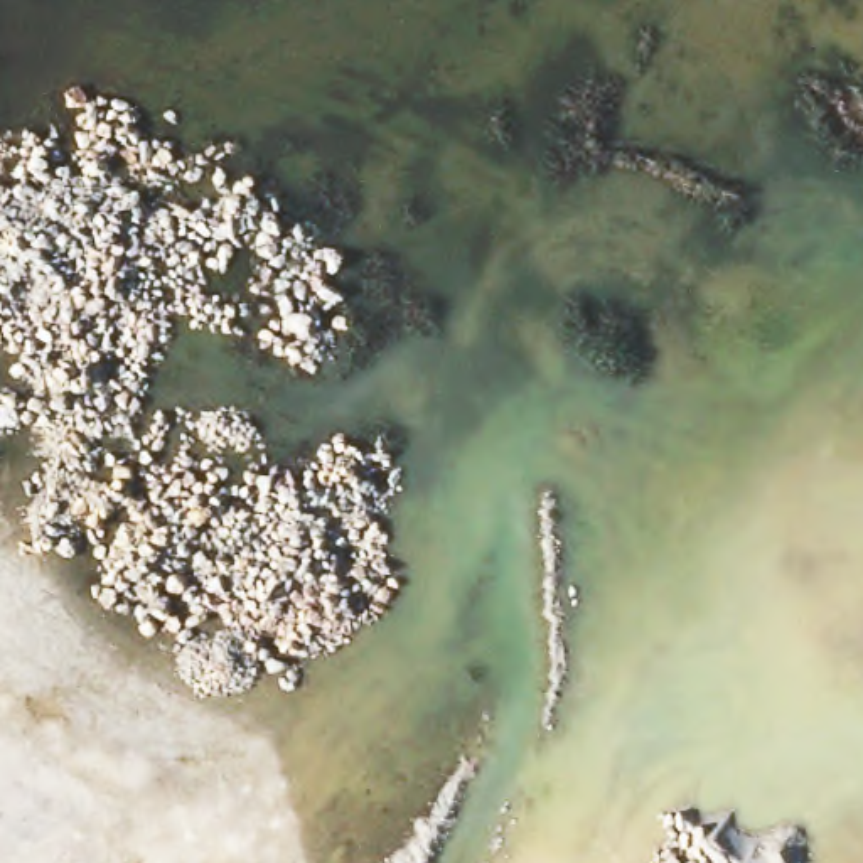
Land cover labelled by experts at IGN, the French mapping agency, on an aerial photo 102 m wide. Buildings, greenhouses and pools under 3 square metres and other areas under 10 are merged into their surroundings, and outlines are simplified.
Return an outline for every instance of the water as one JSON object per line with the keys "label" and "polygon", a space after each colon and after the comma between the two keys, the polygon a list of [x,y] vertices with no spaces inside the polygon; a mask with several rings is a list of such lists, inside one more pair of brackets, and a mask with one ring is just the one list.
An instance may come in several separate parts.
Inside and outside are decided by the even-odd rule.
{"label": "water", "polygon": [[34,388],[10,374],[13,354],[7,354],[7,340],[0,340],[0,394],[10,394],[13,401],[30,401]]}
{"label": "water", "polygon": [[792,819],[796,826],[809,829],[812,863],[863,863],[863,0],[0,0],[0,131],[30,131],[44,138],[47,128],[57,128],[54,148],[74,152],[78,118],[64,105],[64,94],[81,91],[84,98],[125,101],[138,138],[165,142],[172,158],[189,158],[199,155],[206,145],[233,142],[233,155],[222,158],[226,182],[253,179],[260,209],[266,209],[270,199],[280,199],[276,226],[300,226],[310,243],[317,243],[320,249],[334,249],[340,256],[337,273],[320,273],[320,280],[334,293],[340,293],[340,300],[330,307],[320,303],[310,314],[310,334],[317,337],[320,351],[314,371],[300,371],[260,344],[260,330],[270,320],[280,320],[280,307],[276,297],[249,293],[249,280],[260,273],[260,253],[233,249],[226,270],[202,273],[202,297],[219,297],[219,307],[233,307],[233,327],[239,327],[243,334],[229,337],[202,327],[192,330],[189,317],[172,314],[162,361],[145,357],[145,378],[138,384],[142,401],[131,418],[135,435],[148,432],[155,411],[165,418],[162,448],[152,458],[158,465],[172,465],[182,428],[175,408],[189,408],[196,415],[216,408],[239,408],[239,421],[253,425],[253,435],[249,448],[243,452],[236,452],[233,445],[222,448],[226,479],[216,482],[219,519],[226,512],[246,512],[246,523],[256,523],[256,506],[246,506],[246,499],[233,496],[233,485],[243,482],[243,472],[256,472],[280,485],[290,475],[297,509],[303,516],[324,519],[324,526],[334,523],[334,512],[314,506],[303,485],[307,462],[314,462],[317,448],[330,438],[344,438],[361,452],[374,452],[374,442],[381,438],[384,452],[398,465],[401,489],[411,496],[401,506],[401,516],[394,519],[398,556],[405,560],[411,576],[398,610],[391,614],[381,607],[381,617],[374,624],[354,627],[334,651],[303,657],[303,688],[293,684],[293,691],[283,691],[273,681],[273,674],[266,674],[266,681],[253,678],[253,684],[243,691],[206,694],[202,705],[202,711],[209,715],[233,718],[239,732],[273,742],[280,755],[280,772],[287,779],[290,806],[300,819],[307,863],[388,863],[398,850],[408,846],[408,839],[415,836],[415,823],[432,816],[442,785],[462,758],[472,765],[472,775],[458,785],[455,802],[445,823],[438,826],[425,863],[479,863],[489,839],[512,839],[516,853],[536,850],[543,856],[563,856],[566,863],[617,863],[630,850],[647,853],[654,846],[664,846],[667,826],[661,826],[661,816],[684,816],[684,809],[701,809],[711,823],[738,816],[738,823],[745,826],[765,806],[765,799],[782,823]]}

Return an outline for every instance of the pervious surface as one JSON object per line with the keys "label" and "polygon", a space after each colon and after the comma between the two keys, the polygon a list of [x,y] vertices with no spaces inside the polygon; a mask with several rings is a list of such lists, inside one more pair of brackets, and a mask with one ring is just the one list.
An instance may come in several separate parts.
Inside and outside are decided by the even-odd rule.
{"label": "pervious surface", "polygon": [[812,863],[809,829],[796,826],[792,819],[782,823],[765,799],[765,806],[745,826],[738,823],[738,816],[711,823],[701,809],[684,809],[684,816],[661,816],[661,826],[667,826],[664,846],[654,846],[647,853],[630,850],[617,863]]}
{"label": "pervious surface", "polygon": [[388,863],[425,863],[438,826],[445,823],[455,802],[458,785],[472,775],[472,765],[462,758],[442,785],[432,816],[415,823],[415,836],[408,839],[408,846],[398,850]]}
{"label": "pervious surface", "polygon": [[0,340],[7,340],[7,354],[13,354],[10,374],[34,388],[30,401],[13,401],[10,394],[0,394],[0,863],[307,863],[300,819],[290,806],[287,779],[280,772],[280,755],[273,742],[239,732],[233,718],[209,715],[202,711],[202,705],[206,694],[243,691],[253,684],[253,678],[266,681],[266,674],[273,674],[273,681],[283,691],[293,691],[293,684],[303,688],[303,657],[334,651],[354,627],[374,624],[381,617],[381,607],[391,614],[398,610],[411,576],[405,560],[398,556],[394,519],[401,516],[401,506],[411,496],[401,489],[398,465],[384,452],[381,438],[374,442],[374,452],[361,452],[344,438],[330,438],[317,448],[314,462],[307,462],[303,485],[314,506],[334,512],[334,523],[324,526],[324,519],[303,516],[297,509],[290,475],[280,485],[256,472],[243,472],[243,482],[233,485],[233,496],[246,499],[246,506],[256,506],[256,523],[246,523],[246,512],[226,512],[219,519],[216,482],[226,479],[222,448],[233,445],[236,452],[243,452],[249,448],[253,435],[253,425],[239,421],[239,408],[216,408],[196,415],[189,408],[175,408],[182,428],[172,465],[158,465],[152,458],[162,448],[165,418],[155,411],[148,432],[135,435],[131,418],[142,401],[138,384],[145,378],[145,357],[162,361],[172,314],[189,317],[192,330],[202,327],[229,337],[243,334],[239,327],[233,327],[233,307],[219,307],[219,297],[202,297],[202,273],[226,270],[233,249],[260,253],[260,273],[249,280],[249,293],[276,297],[280,307],[280,320],[270,320],[260,330],[260,344],[300,371],[314,371],[320,351],[317,337],[310,334],[310,314],[320,303],[330,307],[340,300],[340,293],[334,293],[320,280],[320,273],[337,273],[340,256],[334,249],[320,249],[317,243],[310,243],[300,226],[276,226],[280,199],[270,199],[266,209],[260,209],[253,179],[226,182],[222,158],[233,155],[233,142],[206,145],[199,155],[189,158],[172,158],[165,142],[138,138],[125,101],[84,98],[81,91],[64,94],[64,105],[78,118],[74,152],[54,148],[57,128],[47,128],[44,138],[30,131],[0,131]]}
{"label": "pervious surface", "polygon": [[516,853],[512,839],[489,839],[479,863],[566,863],[563,856],[543,856],[536,850]]}

